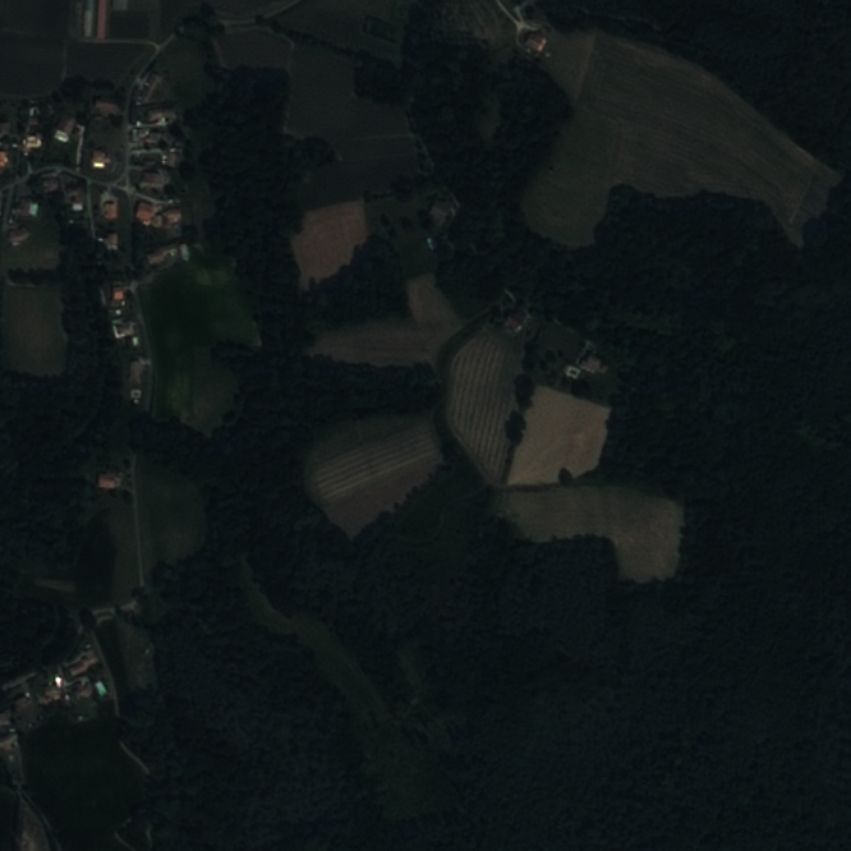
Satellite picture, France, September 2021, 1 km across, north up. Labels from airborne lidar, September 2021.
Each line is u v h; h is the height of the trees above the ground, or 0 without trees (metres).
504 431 0
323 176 0
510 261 30
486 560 17
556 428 0
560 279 22
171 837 15
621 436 16
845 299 7
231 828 20
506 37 0
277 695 12
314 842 27
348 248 0
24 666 17
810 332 20
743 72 12
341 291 24
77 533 22
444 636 20
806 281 21
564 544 9
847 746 15
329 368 22
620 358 18
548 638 18
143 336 0
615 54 0
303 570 26
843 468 18
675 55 9
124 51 0
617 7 11
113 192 0
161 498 0
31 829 0
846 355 21
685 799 20
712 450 15
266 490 24
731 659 21
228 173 12
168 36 0
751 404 28
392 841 25
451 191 14
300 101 0
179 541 0
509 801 14
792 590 22
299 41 9
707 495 20
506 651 24
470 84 24
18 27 0
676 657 15
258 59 0
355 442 0
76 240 18
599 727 7
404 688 19
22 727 0
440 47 28
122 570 0
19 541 20
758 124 0
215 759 24
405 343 0
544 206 0
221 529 25
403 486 0
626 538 0
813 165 0
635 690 7
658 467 26
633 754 16
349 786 17
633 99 0
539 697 15
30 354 0
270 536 24
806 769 19
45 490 21
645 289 17
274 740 16
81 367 19
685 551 11
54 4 0
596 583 18
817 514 23
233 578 19
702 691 25
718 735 18
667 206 12
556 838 15
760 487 19
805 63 15
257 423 23
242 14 0
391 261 22
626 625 19
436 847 19
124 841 9
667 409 15
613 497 0
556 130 7
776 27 10
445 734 0
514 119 11
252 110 23
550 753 10
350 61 9
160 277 0
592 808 8
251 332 0
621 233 25
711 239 25
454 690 23
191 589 18
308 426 12
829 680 18
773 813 10
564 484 12
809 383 18
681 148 0
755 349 20
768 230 19
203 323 0
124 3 0
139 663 0
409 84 22
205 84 0
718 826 10
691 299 22
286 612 19
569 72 0
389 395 16
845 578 20
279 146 28
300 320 29
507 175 21
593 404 0
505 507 0
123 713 17
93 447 25
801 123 16
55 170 0
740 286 21
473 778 18
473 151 27
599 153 0
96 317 11
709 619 18
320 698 16
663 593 19
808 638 21
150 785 15
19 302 0
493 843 15
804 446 23
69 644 16
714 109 0
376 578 16
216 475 26
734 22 13
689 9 8
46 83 0
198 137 0
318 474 0
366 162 0
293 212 24
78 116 7
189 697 14
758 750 18
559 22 16
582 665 8
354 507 0
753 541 23
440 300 0
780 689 22
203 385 0
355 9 0
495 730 15
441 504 0
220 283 0
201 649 11
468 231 22
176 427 17
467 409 0
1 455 25
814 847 10
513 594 17
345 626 25
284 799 16
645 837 16
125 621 10
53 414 18
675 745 12
